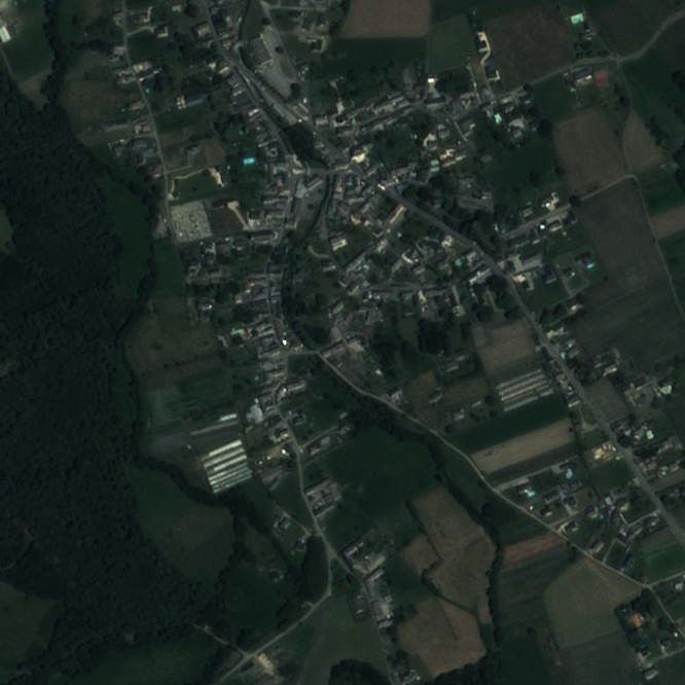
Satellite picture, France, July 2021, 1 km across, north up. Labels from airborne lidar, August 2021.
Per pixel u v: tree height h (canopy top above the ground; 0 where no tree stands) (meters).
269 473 0
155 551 12
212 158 0
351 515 0
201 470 0
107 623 19
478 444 0
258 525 18
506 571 0
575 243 0
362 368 0
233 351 0
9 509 18
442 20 0
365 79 0
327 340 12
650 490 0
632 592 0
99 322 27
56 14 13
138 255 0
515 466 0
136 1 0
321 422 0
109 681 0
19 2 0
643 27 0
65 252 24
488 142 0
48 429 24
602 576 0
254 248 8
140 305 15
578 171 0
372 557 0
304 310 12
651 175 0
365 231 0
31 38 0
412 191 21
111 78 0
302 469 0
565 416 0
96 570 22
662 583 6
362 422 16
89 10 0
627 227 0
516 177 0
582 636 0
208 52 7
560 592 0
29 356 27
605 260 0
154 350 0
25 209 28
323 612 0
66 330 27
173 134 0
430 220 0
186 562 0
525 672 0
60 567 17
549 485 0
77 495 22
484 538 0
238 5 0
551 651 0
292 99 9
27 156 27
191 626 16
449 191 8
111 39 0
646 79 0
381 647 0
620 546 0
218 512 0
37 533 28
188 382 0
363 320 7
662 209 0
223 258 9
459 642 0
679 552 0
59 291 8
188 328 0
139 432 16
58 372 23
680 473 0
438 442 10
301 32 0
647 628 9
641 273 0
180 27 0
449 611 0
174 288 0
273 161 0
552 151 0
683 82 20
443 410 0
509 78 0
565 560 0
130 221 0
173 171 0
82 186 26
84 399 23
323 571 0
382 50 0
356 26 0
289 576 11
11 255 7
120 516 27
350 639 0
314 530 0
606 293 0
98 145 0
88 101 0
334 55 6
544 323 12
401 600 0
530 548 0
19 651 0
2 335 22
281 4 0
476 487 0
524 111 6
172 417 0
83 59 0
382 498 0
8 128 25
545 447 0
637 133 0
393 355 17
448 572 0
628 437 12
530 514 0
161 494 0
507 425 0
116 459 6
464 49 0
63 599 12
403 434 18
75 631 26
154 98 0
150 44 0
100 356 35
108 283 21
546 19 0
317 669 0
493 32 0
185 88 8
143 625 26
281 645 0
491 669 27
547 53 0
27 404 30
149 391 0
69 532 28
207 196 0
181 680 0
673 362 6
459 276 6
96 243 22
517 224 7
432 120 7
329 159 0
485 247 14
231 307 0
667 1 0
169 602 24
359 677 8
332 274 7
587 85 0
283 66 0
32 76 0
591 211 0
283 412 0
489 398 9
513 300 17
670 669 0
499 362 0
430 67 0
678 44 0
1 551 25
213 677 22
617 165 0
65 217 22
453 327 14
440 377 6
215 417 0
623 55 0
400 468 0
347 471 0
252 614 0
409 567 0
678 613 0
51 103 10
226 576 20
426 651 0
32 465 27
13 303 22
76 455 29
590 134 0
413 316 7
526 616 0
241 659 0
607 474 0
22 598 0
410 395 0
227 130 18
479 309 17
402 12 0
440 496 0
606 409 0
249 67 11
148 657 0
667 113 0
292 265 8
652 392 0
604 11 0
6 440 29
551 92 0
